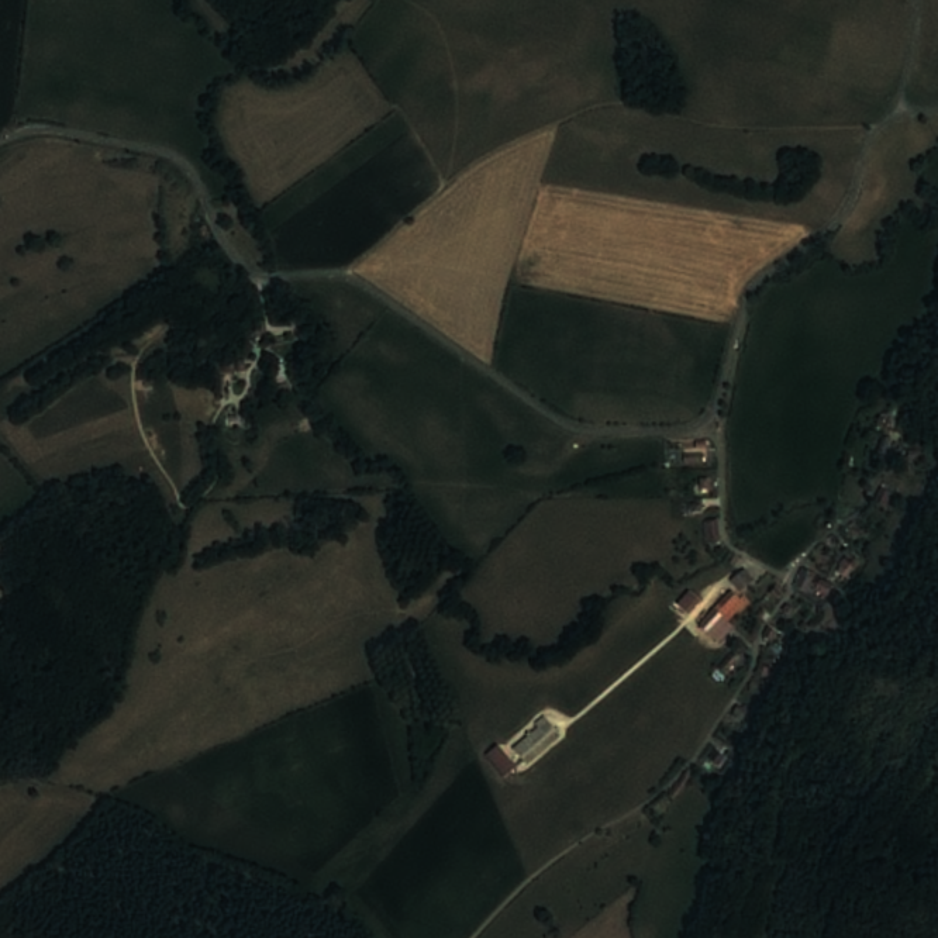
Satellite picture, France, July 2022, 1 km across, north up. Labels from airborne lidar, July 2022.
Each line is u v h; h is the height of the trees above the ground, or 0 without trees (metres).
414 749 10
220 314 9
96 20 0
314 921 27
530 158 0
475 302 0
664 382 0
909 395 20
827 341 0
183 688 0
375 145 0
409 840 0
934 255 0
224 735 0
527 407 0
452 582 11
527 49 0
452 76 0
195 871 22
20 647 20
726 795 21
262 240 15
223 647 0
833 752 11
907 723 6
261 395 18
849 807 16
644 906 0
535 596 0
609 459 0
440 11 0
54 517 20
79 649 9
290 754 0
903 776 17
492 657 16
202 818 0
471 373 0
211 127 20
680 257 0
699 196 0
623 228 0
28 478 9
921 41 0
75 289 0
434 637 0
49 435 0
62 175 0
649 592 0
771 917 8
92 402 0
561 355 0
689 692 0
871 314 0
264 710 0
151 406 0
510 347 0
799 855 10
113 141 0
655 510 0
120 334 19
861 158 0
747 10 0
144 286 11
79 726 25
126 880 18
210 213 0
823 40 0
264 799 0
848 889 23
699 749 0
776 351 0
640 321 0
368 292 0
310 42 15
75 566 7
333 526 20
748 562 0
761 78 0
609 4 0
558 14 0
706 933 21
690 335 0
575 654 16
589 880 0
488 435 0
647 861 0
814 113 0
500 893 0
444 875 0
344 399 0
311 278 0
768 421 0
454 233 0
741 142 0
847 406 0
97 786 0
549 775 0
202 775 0
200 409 0
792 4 0
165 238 11
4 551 13
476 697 0
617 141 0
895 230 20
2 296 0
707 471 0
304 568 0
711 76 0
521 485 0
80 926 18
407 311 0
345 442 17
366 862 0
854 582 8
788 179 17
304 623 0
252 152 0
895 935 20
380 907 0
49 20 0
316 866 0
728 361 0
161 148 0
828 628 0
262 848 0
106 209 0
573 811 0
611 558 0
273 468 0
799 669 20
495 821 0
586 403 0
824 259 6
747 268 0
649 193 0
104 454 0
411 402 0
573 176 0
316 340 19
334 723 0
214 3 19
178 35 0
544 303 0
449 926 0
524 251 0
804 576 0
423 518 26
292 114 0
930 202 16
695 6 0
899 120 0
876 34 0
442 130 0
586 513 0
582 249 0
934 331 25
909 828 12
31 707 24
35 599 11
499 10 0
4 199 0
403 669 25
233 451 0
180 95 0
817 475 0
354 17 0
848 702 12
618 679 0
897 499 16
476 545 0
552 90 0
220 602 0
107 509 21
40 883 20
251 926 20
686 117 0
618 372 0
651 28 8
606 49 0
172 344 9
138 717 0
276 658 0
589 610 18
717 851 21
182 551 18
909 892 21
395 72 0
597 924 0
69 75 0
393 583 8
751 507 0
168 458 0
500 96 0
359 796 0
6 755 21
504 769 0
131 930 17
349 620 0
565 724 0
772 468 0
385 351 0
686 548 6
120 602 6
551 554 0
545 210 0
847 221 0
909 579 27
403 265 0
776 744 19
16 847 0
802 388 0
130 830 20
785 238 0
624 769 0
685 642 0
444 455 0
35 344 0
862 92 0
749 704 0
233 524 6
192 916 21
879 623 25
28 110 0
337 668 0
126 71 0
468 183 0
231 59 21
